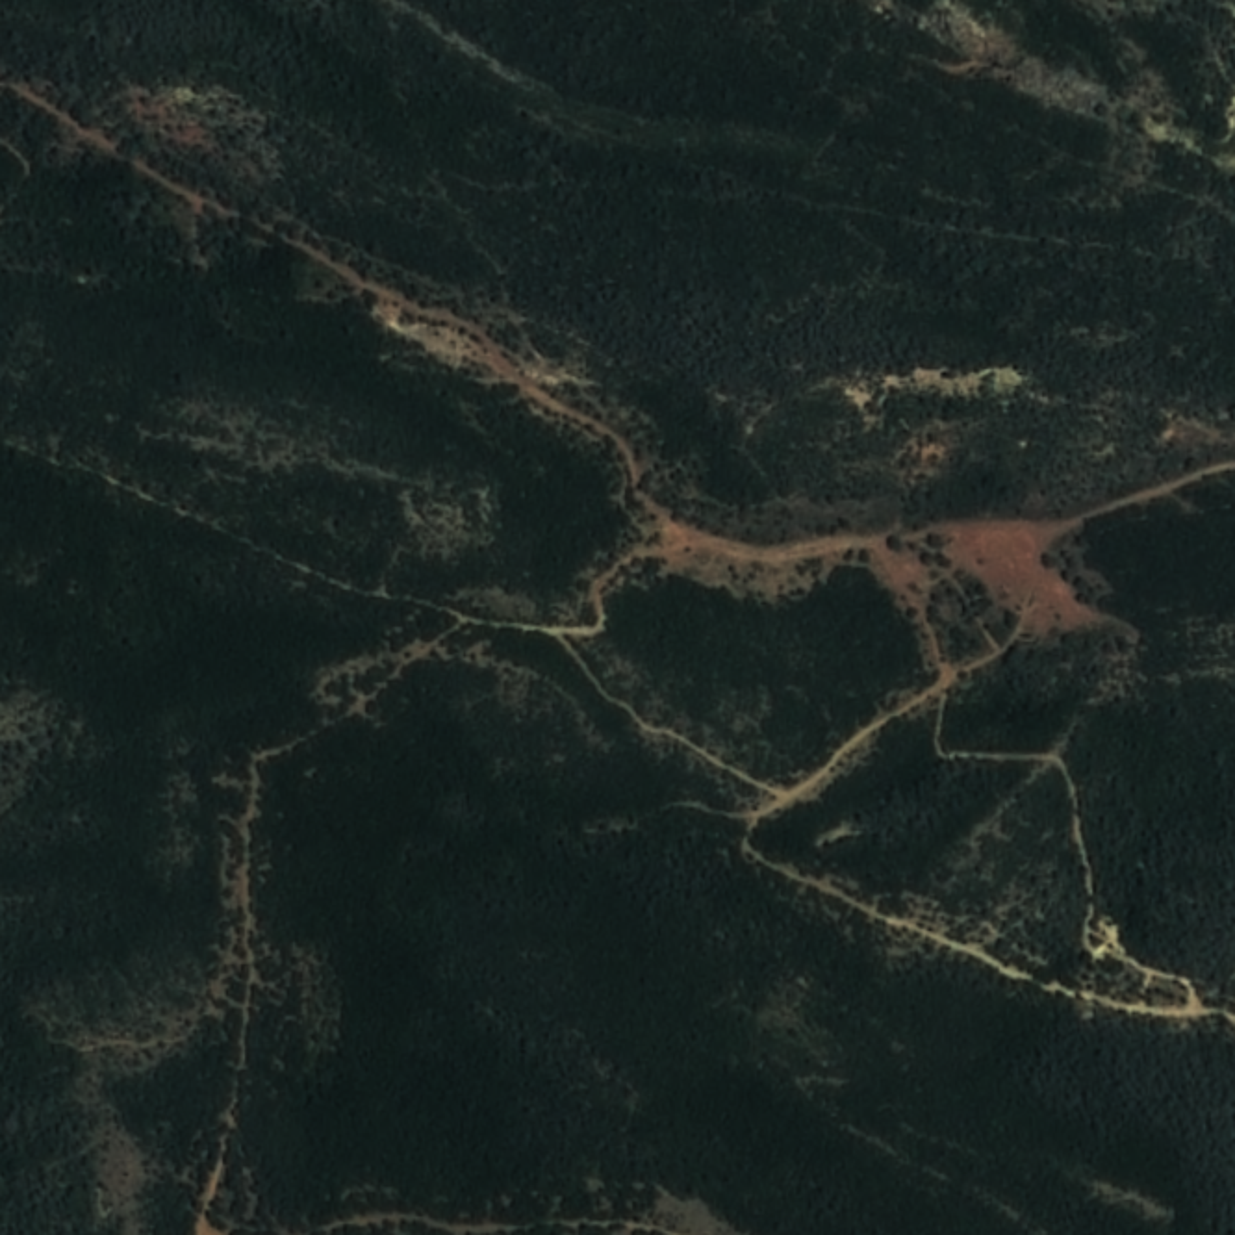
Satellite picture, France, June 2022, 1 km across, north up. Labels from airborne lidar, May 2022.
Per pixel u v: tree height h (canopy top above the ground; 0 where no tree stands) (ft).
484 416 26
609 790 32
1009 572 0
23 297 25
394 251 20
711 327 22
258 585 21
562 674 21
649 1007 23
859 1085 21
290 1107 25
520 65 19
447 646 19
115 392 22
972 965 39
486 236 20
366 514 20
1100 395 43
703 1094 29
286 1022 24
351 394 31
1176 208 24
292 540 23
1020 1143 22
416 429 24
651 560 23
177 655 34
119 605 28
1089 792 25
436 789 36
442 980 17
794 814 19
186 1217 20
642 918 26
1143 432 22
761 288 23
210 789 29
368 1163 23
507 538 21
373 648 20
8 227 27
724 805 22
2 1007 24
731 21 18
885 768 19
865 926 19
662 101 23
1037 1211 22
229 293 40
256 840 22
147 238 44
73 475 26
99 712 20
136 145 26
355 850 39
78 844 26
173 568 19
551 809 36
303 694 20
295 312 20
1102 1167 29
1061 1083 51
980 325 19
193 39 54
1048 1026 29
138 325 29
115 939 20
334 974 18
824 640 18
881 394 27
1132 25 20
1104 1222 23
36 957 23
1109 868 29
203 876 22
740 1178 29
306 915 39
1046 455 18
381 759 33
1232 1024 39
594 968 25
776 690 21
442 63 47
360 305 24
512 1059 24
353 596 18
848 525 35
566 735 23
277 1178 31
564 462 21
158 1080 30
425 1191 24
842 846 40
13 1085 25
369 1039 31
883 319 45
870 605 19
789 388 37
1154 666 30
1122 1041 34
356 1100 37
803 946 17
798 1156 29
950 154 22
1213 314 26
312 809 30
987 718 32
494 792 39
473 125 20
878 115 18
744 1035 20
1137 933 27
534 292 35
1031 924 37
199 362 20
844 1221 23
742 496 23
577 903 33
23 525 31
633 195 24
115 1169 0
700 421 24
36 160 34
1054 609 0
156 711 28
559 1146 18
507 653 22
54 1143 31
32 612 26
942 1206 23
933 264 19
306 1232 23
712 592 28
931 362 42
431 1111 25
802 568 17
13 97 30
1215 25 34
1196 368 29
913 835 21
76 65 36
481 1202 22
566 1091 26
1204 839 34
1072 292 48
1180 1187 33
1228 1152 50
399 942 44
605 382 23
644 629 19
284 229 34
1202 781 27
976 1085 28
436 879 36
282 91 33
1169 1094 48
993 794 27
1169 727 29
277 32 27
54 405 20
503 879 25
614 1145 20
